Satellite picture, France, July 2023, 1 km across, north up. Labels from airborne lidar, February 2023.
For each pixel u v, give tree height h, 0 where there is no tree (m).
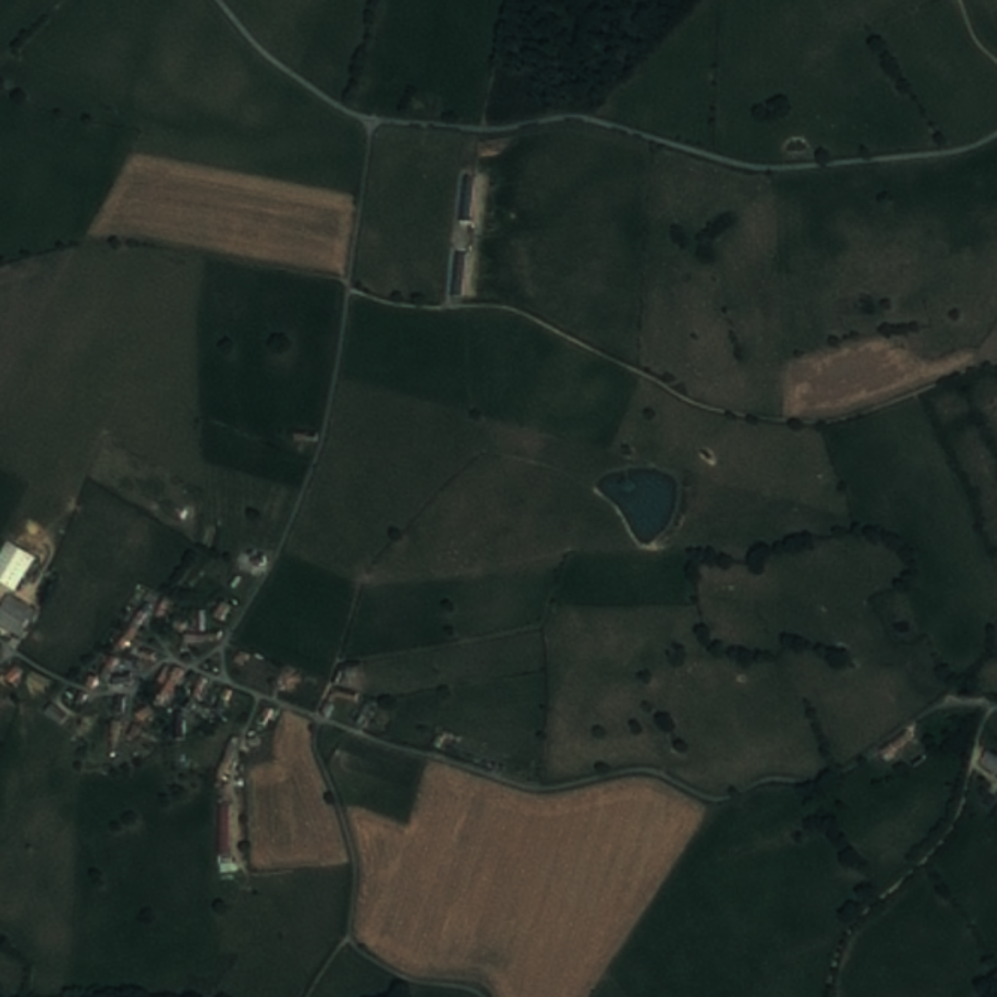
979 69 0
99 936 0
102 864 0
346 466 0
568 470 0
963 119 0
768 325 0
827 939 0
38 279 0
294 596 0
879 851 0
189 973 0
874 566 0
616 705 0
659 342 0
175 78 0
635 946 0
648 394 0
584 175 0
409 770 0
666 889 0
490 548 0
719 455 0
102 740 0
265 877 0
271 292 0
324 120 0
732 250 0
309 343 0
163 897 0
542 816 0
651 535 0
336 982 0
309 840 0
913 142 0
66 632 0
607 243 0
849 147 0
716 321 0
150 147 0
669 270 0
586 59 17
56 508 0
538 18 21
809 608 0
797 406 0
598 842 0
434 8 0
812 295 0
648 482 0
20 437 0
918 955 0
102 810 0
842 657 20
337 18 0
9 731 0
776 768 0
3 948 17
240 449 0
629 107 0
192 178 0
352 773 0
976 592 0
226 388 0
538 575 0
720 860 0
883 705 0
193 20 0
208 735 6
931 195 0
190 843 0
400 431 0
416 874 0
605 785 0
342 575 0
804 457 0
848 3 0
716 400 0
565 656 0
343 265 0
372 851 0
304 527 0
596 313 0
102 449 0
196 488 0
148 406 0
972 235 0
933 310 0
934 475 0
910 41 0
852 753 0
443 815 0
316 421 0
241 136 0
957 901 5
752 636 0
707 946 0
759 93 0
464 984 0
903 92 13
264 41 0
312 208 0
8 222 0
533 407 0
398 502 0
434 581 0
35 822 0
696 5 15
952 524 0
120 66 0
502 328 0
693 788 0
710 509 0
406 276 0
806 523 0
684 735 0
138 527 0
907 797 0
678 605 0
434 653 0
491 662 0
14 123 0
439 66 0
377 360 0
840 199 0
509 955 0
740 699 0
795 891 0
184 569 6
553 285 0
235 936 0
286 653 0
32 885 0
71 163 0
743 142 0
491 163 0
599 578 0
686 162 0
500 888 0
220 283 0
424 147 0
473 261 0
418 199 0
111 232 0
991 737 0
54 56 0
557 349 0
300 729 0
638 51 22
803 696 0
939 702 0
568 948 0
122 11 0
